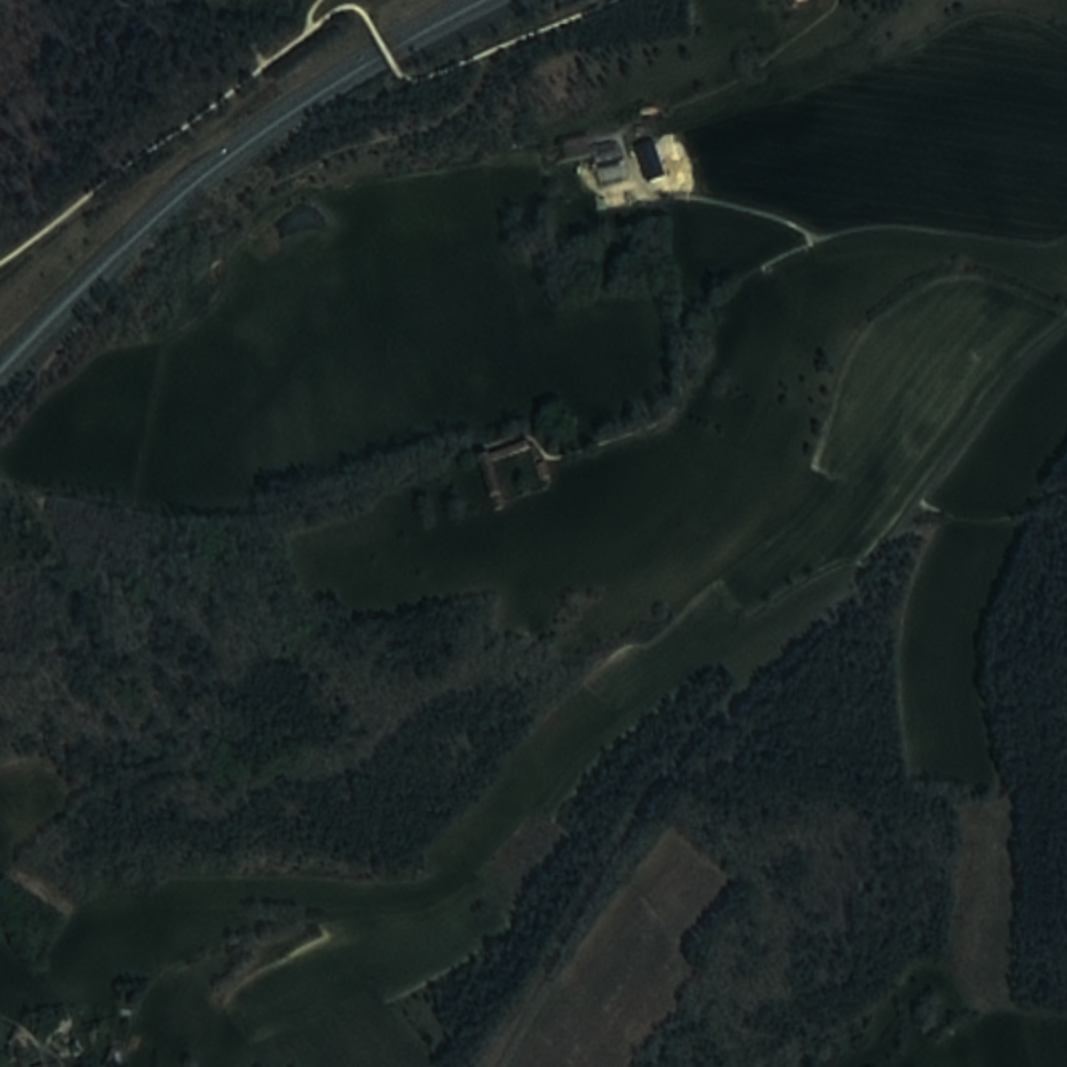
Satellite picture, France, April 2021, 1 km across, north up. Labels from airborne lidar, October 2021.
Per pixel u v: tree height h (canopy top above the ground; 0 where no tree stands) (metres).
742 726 20
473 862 0
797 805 16
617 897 13
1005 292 0
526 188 0
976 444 0
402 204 0
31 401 14
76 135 21
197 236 18
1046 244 0
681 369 21
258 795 15
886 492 0
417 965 0
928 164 0
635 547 0
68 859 19
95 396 0
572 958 11
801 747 18
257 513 12
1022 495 0
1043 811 15
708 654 0
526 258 20
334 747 23
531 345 0
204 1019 0
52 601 14
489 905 0
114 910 0
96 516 17
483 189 0
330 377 0
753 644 0
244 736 18
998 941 0
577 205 0
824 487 0
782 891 18
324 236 0
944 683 0
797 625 0
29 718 18
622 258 18
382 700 18
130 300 21
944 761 0
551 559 0
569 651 0
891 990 17
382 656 17
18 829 0
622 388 0
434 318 0
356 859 18
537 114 18
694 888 0
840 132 0
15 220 10
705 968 23
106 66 21
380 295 0
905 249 0
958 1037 0
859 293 0
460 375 0
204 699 23
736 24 0
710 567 0
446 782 15
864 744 13
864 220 0
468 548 0
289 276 0
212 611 19
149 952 0
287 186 8
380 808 20
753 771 21
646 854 19
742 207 0
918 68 0
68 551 16
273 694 20
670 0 15
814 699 15
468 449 21
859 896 23
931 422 0
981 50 0
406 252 0
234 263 0
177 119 7
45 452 0
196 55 23
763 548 0
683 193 0
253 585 22
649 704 0
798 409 0
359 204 0
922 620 0
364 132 13
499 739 17
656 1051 18
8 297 0
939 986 0
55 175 25
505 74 21
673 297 18
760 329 0
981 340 0
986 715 11
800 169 0
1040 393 0
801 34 0
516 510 0
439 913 0
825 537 0
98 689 20
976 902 0
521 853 0
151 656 17
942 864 20
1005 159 0
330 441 0
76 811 18
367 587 0
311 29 0
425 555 0
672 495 0
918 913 21
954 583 0
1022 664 18
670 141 0
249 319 0
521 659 16
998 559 0
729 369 0
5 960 0
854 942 17
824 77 0
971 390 0
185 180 0
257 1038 0
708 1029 18
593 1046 0
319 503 20
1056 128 0
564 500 0
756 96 0
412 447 11
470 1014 11
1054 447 0
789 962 15
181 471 0
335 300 0
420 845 19
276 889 0
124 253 0
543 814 0
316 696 12
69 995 0
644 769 16
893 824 18
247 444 0
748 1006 19
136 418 0
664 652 0
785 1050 20
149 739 18
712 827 17
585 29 12
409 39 0
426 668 21
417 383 0
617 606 0
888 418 0
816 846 20
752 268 0
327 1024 0
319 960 0
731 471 0
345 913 0
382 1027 0
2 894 21
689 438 0
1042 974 11
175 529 16
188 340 0
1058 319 0
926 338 0
